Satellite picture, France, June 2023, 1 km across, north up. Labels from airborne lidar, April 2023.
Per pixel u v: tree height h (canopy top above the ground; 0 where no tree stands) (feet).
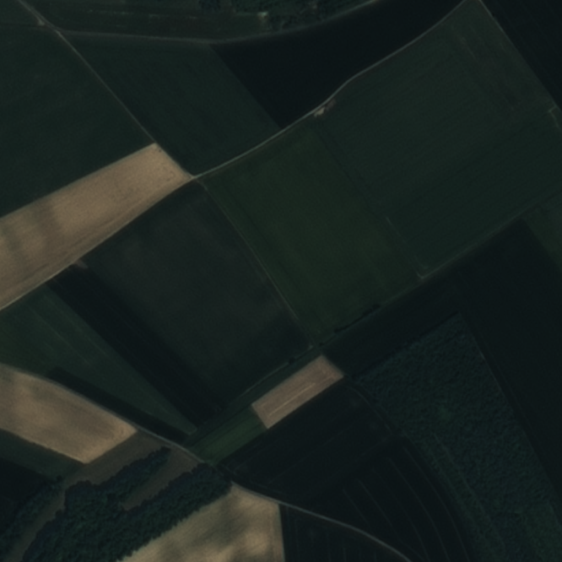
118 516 71
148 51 0
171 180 0
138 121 0
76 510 30
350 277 0
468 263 0
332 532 0
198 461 0
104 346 0
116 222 0
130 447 0
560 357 0
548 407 0
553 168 0
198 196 0
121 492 53
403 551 0
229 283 0
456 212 0
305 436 0
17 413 0
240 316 0
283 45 0
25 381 0
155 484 0
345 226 0
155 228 0
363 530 0
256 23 0
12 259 0
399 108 0
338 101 0
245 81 0
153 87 0
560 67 0
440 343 30
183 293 0
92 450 0
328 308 0
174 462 0
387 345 0
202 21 0
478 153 0
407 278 0
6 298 0
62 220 0
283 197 0
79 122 0
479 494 51
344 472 0
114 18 0
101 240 0
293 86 0
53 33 0
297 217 0
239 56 0
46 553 67
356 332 0
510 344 0
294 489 0
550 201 0
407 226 0
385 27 0
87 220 0
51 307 0
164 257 0
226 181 0
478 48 0
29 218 0
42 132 0
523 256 0
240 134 0
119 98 0
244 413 0
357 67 0
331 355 0
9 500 0
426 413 35
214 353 0
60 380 0
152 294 0
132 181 0
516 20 0
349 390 0
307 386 0
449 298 0
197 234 0
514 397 0
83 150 0
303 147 0
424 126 0
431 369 46
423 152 0
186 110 0
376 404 25
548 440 0
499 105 0
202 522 0
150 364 0
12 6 0
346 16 0
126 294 0
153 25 0
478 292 0
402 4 0
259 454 0
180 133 0
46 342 0
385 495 0
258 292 0
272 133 0
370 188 0
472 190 0
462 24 0
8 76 0
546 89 0
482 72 0
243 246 0
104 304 0
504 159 0
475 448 60
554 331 0
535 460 27
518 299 0
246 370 0
